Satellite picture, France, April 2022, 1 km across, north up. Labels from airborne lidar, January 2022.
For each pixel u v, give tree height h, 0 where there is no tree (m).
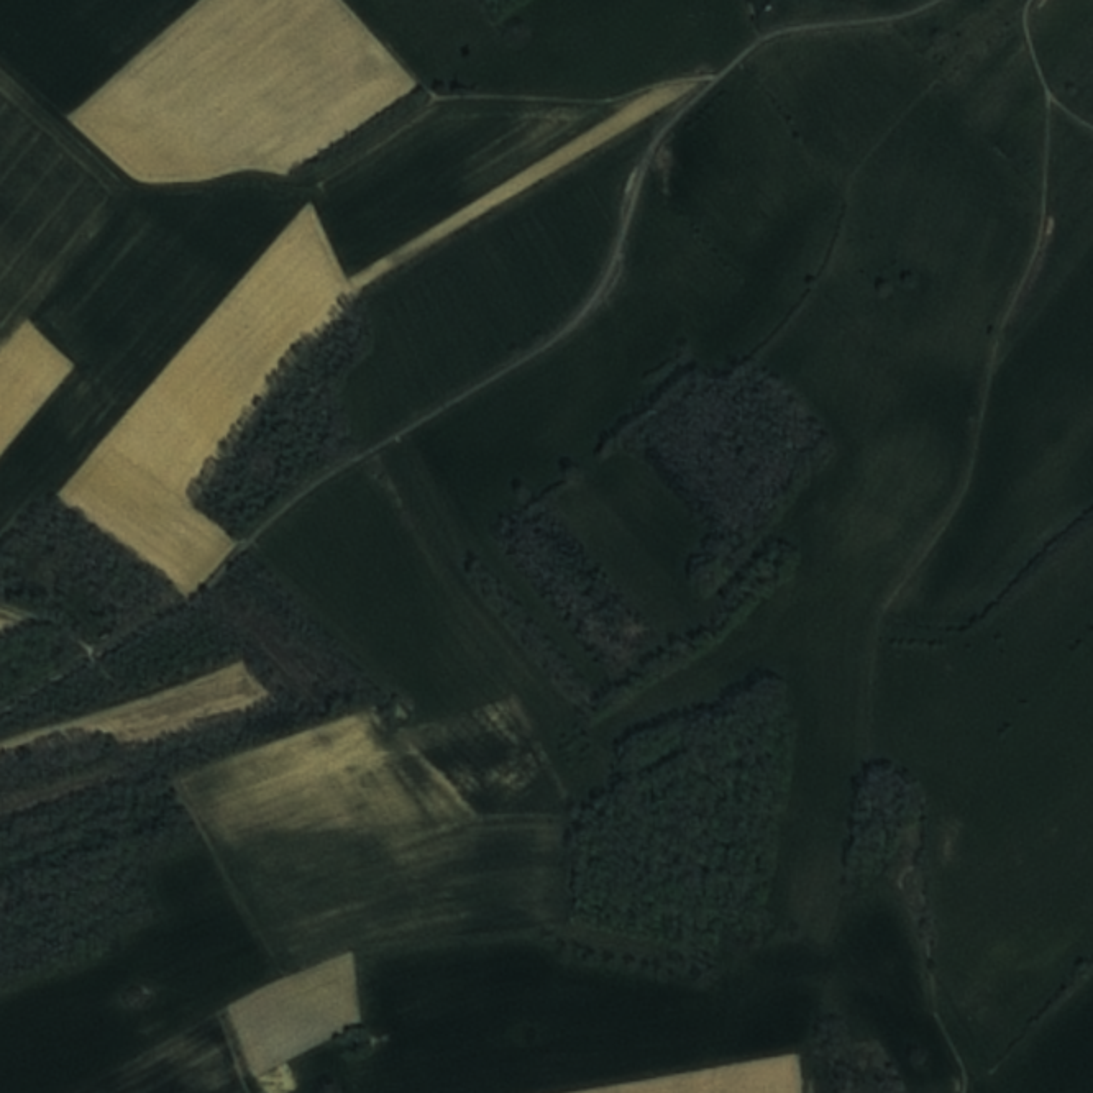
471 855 0
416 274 0
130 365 0
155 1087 0
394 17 0
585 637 12
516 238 0
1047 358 0
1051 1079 0
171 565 0
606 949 0
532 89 0
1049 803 0
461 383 0
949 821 0
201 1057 0
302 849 0
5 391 0
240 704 0
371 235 0
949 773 0
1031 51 0
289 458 9
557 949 0
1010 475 0
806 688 0
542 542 11
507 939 0
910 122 0
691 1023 0
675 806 25
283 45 0
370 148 0
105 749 15
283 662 0
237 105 0
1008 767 0
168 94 0
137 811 9
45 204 0
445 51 0
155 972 0
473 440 0
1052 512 0
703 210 0
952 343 0
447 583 0
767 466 19
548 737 0
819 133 0
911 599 0
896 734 0
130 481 0
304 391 7
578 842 19
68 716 15
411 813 0
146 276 0
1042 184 0
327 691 0
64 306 0
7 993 15
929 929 15
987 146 0
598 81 0
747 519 19
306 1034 0
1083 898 0
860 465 0
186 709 0
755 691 19
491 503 0
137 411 0
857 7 0
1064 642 0
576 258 0
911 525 0
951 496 0
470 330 0
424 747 0
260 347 0
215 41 0
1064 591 0
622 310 0
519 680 0
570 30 0
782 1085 0
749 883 26
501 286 0
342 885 0
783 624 0
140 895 18
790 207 0
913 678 0
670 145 0
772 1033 0
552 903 0
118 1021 0
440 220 0
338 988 0
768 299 0
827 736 0
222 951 0
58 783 14
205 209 0
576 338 0
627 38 0
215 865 0
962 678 0
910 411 0
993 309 0
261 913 0
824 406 0
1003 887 0
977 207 0
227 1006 0
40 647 18
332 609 0
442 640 0
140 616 17
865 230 0
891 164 0
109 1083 0
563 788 0
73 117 0
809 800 0
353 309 20
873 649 0
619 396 0
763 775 25
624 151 0
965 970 0
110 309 0
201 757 8
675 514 0
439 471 0
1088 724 0
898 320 0
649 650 0
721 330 0
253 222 0
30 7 0
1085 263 0
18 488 0
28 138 0
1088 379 0
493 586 19
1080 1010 0
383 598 0
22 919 20
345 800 0
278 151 0
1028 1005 0
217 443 0
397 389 0
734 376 13
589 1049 0
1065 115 0
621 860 25
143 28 0
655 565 0
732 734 25
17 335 0
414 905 0
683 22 0
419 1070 0
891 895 0
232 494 13
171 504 0
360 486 0
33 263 0
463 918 0
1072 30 0
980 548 0
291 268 0
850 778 0
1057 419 0
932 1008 0
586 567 13
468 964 0
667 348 0
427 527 0
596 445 0
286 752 0
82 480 0
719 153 0
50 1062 0
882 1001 0
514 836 0
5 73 0
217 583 0
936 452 0
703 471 16
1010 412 0
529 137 0
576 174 0
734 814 26
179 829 17
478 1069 0
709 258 0
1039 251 0
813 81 0
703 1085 0
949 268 0
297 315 0
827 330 0
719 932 22
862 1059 0
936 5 0
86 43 0
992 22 0
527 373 0
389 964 0
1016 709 0
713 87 0
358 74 0
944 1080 0
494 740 0
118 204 0
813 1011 0
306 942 0
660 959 0
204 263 0
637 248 0
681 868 26
